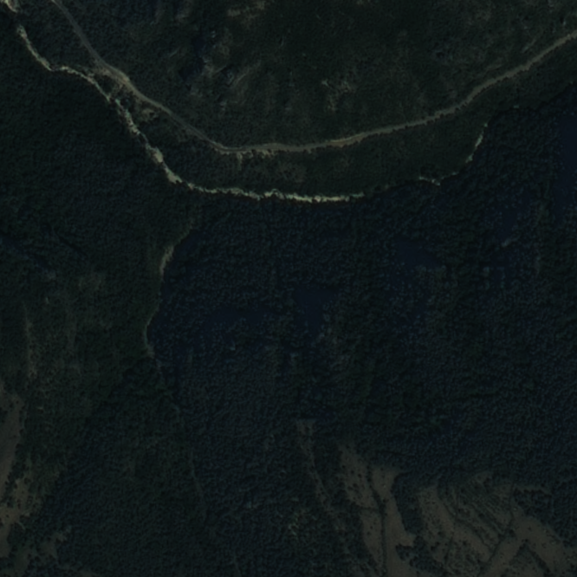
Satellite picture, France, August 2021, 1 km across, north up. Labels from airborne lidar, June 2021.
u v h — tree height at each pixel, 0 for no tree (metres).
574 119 11
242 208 10
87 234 14
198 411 10
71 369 6
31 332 6
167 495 17
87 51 7
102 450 10
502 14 6
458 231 8
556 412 18
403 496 7
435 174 11
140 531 7
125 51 5
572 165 8
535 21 9
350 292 13
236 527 9
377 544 0
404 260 12
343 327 7
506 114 17
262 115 8
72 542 12
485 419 11
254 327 17
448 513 0
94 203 13
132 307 11
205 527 14
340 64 6
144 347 13
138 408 13
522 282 14
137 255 17
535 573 0
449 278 9
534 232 9
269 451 6
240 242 11
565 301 18
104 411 14
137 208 12
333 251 13
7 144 12
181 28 11
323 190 7
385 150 8
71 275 6
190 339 16
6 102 11
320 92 10
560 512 10
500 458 10
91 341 15
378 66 7
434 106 8
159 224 12
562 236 7
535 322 14
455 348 15
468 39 6
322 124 7
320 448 9
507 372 15
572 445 14
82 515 12
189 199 13
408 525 7
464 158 12
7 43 8
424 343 11
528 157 9
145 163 15
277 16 10
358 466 0
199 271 13
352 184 10
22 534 10
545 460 14
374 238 6
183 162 15
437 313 9
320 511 7
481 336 21
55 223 13
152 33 7
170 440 9
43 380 6
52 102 13
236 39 7
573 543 8
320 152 14
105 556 8
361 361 17
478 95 9
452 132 6
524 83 8
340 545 7
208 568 13
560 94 9
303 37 12
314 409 6
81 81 9
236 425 8
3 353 9
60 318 10
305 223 11
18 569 0
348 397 11
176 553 7
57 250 9
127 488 10
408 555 9
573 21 7
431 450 15
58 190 13
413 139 7
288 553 10
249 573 11
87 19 10
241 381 13
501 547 0
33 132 13
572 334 16
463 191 19
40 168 11
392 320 10
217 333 11
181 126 8
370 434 11
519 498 9
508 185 10
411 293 17
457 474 9
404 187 15
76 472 17
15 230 19
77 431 8
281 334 8
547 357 15
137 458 8
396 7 8
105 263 8
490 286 19
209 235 9
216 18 6
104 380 11
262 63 9
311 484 6
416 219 11
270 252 9
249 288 9
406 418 14
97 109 17
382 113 7
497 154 14
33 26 12
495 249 15
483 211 7
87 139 9
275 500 9
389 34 8
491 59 8
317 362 19
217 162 6
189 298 14
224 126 9
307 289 16
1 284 8
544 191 17
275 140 6
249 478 11
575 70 12
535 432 14
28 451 10
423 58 8
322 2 7
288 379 12
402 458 11
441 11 7
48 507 10
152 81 10
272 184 9
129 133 14
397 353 16
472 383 15
